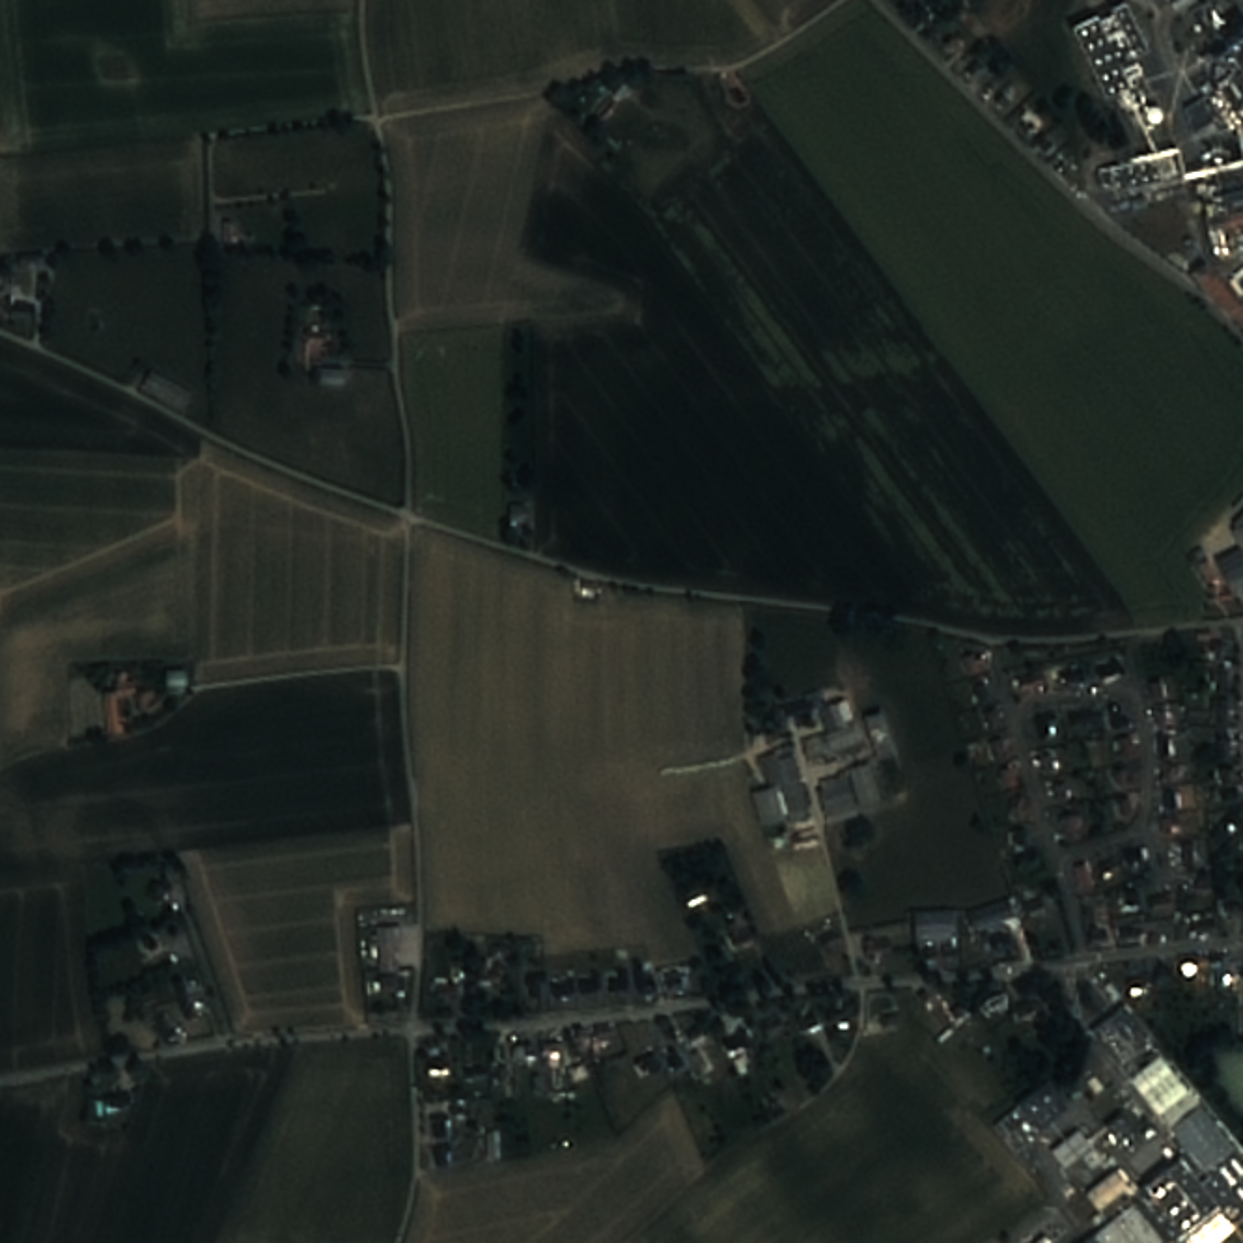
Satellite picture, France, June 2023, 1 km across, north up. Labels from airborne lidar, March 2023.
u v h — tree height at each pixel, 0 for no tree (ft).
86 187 0
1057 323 0
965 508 0
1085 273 0
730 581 0
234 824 0
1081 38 0
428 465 0
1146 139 0
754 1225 0
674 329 0
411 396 0
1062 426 0
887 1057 0
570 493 0
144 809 0
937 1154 0
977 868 0
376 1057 0
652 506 0
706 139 0
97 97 0
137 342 0
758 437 0
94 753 0
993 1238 0
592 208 0
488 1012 23
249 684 0
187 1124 0
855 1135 0
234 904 0
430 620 0
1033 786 0
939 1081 0
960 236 0
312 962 0
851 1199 0
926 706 0
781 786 0
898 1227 0
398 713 0
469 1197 0
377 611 0
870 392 0
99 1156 0
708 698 0
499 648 0
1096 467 0
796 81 0
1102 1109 0
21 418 0
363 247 0
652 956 0
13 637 0
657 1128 0
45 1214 0
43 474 0
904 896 0
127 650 0
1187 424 0
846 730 0
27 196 0
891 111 0
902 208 0
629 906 0
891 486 0
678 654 0
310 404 0
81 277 0
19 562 0
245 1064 0
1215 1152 0
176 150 0
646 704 0
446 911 0
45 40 0
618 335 0
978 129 0
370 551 0
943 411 0
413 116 0
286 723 0
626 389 0
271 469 0
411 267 0
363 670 0
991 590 0
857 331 0
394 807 0
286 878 0
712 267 0
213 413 0
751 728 27
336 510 0
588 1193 0
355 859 0
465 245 0
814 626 0
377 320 0
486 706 0
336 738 0
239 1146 0
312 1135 0
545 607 0
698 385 0
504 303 0
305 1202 0
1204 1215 0
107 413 0
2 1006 0
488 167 0
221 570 0
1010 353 0
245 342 0
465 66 0
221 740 0
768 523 0
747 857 0
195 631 0
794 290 0
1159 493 0
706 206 0
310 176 0
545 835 0
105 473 0
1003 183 0
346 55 0
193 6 0
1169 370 0
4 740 0
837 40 0
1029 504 0
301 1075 0
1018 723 0
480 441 0
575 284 0
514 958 27
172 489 0
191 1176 0
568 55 0
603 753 0
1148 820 0
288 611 0
